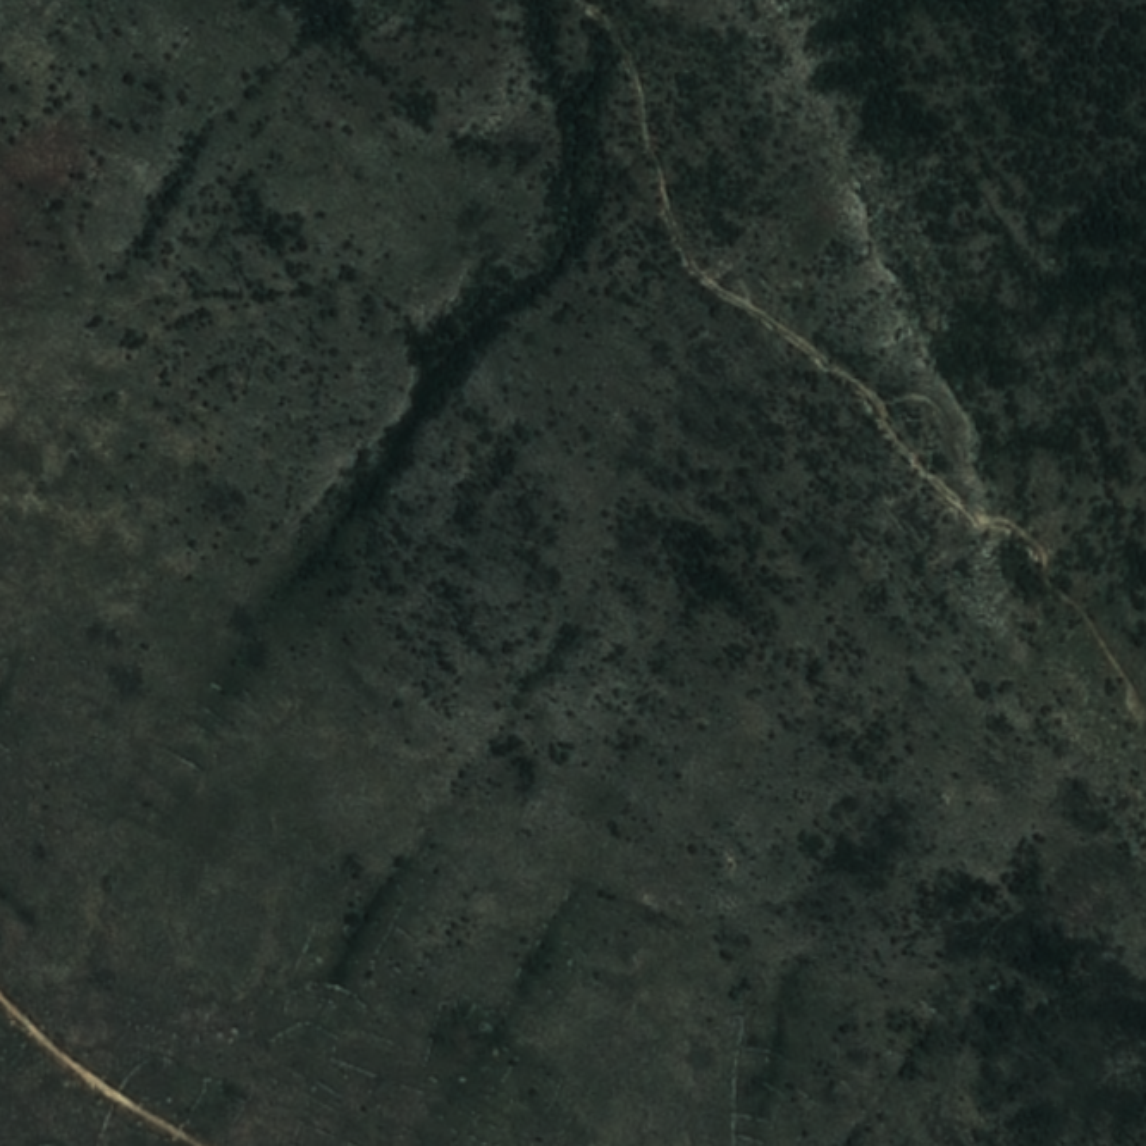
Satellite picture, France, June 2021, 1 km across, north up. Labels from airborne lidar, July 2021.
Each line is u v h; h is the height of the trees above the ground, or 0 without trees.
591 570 0
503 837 0
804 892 0
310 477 0
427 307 0
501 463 6
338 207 0
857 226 0
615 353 0
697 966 0
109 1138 0
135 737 0
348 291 0
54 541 0
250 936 0
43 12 0
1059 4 8
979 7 7
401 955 0
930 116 7
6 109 0
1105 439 6
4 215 0
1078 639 0
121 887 0
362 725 0
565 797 0
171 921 0
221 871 0
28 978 0
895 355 0
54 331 0
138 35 0
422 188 0
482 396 0
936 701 0
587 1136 0
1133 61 7
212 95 0
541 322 0
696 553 6
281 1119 0
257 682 0
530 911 0
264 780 0
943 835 0
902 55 6
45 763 0
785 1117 0
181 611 0
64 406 0
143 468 0
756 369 0
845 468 0
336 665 0
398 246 0
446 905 0
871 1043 0
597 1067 0
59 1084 0
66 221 0
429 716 0
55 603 0
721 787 0
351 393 0
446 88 0
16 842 0
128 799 0
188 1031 0
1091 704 0
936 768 0
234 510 0
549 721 0
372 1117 0
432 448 0
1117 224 9
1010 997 7
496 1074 0
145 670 0
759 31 0
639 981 0
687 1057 0
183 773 0
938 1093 0
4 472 0
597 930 0
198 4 0
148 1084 0
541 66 8
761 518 6
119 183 0
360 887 0
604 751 0
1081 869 0
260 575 0
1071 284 8
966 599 0
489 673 0
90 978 0
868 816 0
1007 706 0
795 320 0
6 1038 0
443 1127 0
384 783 0
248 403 0
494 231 0
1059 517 0
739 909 0
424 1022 0
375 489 8
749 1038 0
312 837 0
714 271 0
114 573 0
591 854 0
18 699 0
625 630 0
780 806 0
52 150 0
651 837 0
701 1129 0
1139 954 0
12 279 0
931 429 0
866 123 7
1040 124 7
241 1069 0
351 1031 0
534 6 8
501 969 0
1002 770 0
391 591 5
